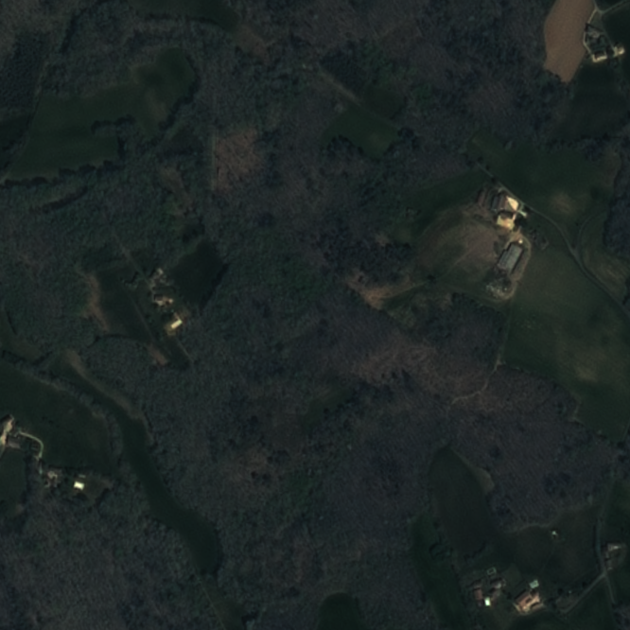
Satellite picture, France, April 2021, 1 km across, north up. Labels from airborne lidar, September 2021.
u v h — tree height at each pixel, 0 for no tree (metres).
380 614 14
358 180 12
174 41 18
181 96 0
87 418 0
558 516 9
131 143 25
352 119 0
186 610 20
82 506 22
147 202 23
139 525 13
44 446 0
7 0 17
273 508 20
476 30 22
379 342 15
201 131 23
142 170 25
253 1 12
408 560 13
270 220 17
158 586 17
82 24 21
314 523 13
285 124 14
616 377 0
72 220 19
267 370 17
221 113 22
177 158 24
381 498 13
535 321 0
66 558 17
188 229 0
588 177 0
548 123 17
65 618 14
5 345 0
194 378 18
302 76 18
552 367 0
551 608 10
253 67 18
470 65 16
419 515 15
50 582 19
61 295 17
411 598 16
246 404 19
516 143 11
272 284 19
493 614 0
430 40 20
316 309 17
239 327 17
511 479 16
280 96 22
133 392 15
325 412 0
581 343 0
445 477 0
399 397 17
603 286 0
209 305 17
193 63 20
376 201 16
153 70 0
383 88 13
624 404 0
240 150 19
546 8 11
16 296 19
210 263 0
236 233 15
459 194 0
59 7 17
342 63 19
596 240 0
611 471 15
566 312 0
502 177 0
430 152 16
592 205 0
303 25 13
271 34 20
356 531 14
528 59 22
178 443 18
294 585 6
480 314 8
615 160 0
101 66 26
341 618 0
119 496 20
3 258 21
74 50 23
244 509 17
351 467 19
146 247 23
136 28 16
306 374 21
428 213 0
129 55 19
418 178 16
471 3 21
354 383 7
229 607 0
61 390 10
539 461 11
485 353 11
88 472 12
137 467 0
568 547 0
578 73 0
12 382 0
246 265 18
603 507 0
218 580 20
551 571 0
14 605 22
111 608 21
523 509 15
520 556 0
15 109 19
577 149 7
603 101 0
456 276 0
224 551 14
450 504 0
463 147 16
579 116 0
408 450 17
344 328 16
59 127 0
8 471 0
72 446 0
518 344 0
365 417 30
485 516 0
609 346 0
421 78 15
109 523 29
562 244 0
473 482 0
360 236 13
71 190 16
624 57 0
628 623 7
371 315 16
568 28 0
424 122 15
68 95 20
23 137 13
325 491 24
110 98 0
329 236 9
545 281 0
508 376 6
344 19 12
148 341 0
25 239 17
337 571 11
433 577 0
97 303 0
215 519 19
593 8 0
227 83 20
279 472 11
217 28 20
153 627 18
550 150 10
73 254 19
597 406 0
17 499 0
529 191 0
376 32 13
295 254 14
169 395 23
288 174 16
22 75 19
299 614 17
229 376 12
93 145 0
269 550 21
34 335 13
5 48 15
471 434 12
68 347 16
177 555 12
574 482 13
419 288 0
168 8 0
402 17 17
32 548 20
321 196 16
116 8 20
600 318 0
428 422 17
